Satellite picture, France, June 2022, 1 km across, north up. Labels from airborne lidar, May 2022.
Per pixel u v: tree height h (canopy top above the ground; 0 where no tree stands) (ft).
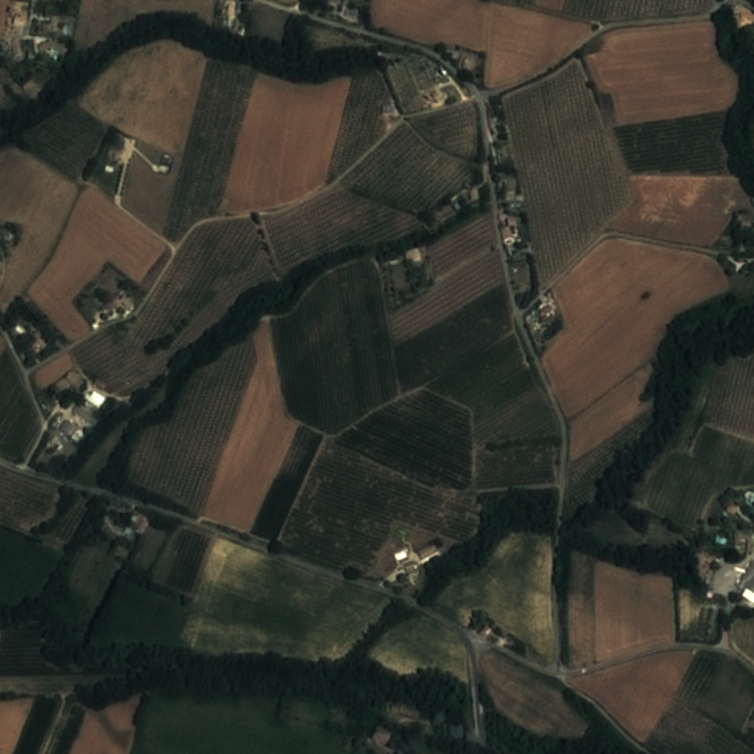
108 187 0
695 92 0
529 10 0
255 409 0
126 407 35
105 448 0
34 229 0
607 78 0
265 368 0
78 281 0
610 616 0
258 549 0
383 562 0
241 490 0
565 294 0
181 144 0
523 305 36
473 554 26
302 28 43
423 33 0
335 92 0
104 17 0
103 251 0
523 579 0
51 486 0
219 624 0
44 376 0
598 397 0
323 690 41
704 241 0
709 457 0
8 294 0
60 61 40
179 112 0
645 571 44
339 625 0
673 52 0
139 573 25
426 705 50
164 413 43
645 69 0
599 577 0
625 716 0
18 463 28
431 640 0
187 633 0
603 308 0
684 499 0
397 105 31
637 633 0
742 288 0
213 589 0
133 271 0
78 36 0
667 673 0
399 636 0
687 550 74
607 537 0
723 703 0
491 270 0
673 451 0
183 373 38
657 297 0
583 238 0
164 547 18
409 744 67
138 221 0
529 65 0
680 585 42
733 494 49
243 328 53
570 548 42
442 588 46
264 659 45
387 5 0
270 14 0
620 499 72
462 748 48
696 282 0
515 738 49
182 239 0
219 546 0
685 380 25
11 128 55
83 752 0
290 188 0
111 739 0
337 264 51
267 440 0
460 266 0
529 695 0
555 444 26
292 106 0
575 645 0
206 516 0
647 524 87
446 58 34
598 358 0
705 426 0
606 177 0
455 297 0
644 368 0
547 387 0
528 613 0
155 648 40
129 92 0
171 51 0
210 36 71
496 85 0
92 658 53
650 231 0
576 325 0
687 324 40
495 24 0
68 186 0
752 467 0
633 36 0
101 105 0
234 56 55
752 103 23
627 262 0
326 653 0
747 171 54
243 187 0
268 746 0
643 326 0
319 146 0
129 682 38
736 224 30
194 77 0
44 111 45
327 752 0
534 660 0
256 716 0
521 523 66
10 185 0
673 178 0
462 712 32
